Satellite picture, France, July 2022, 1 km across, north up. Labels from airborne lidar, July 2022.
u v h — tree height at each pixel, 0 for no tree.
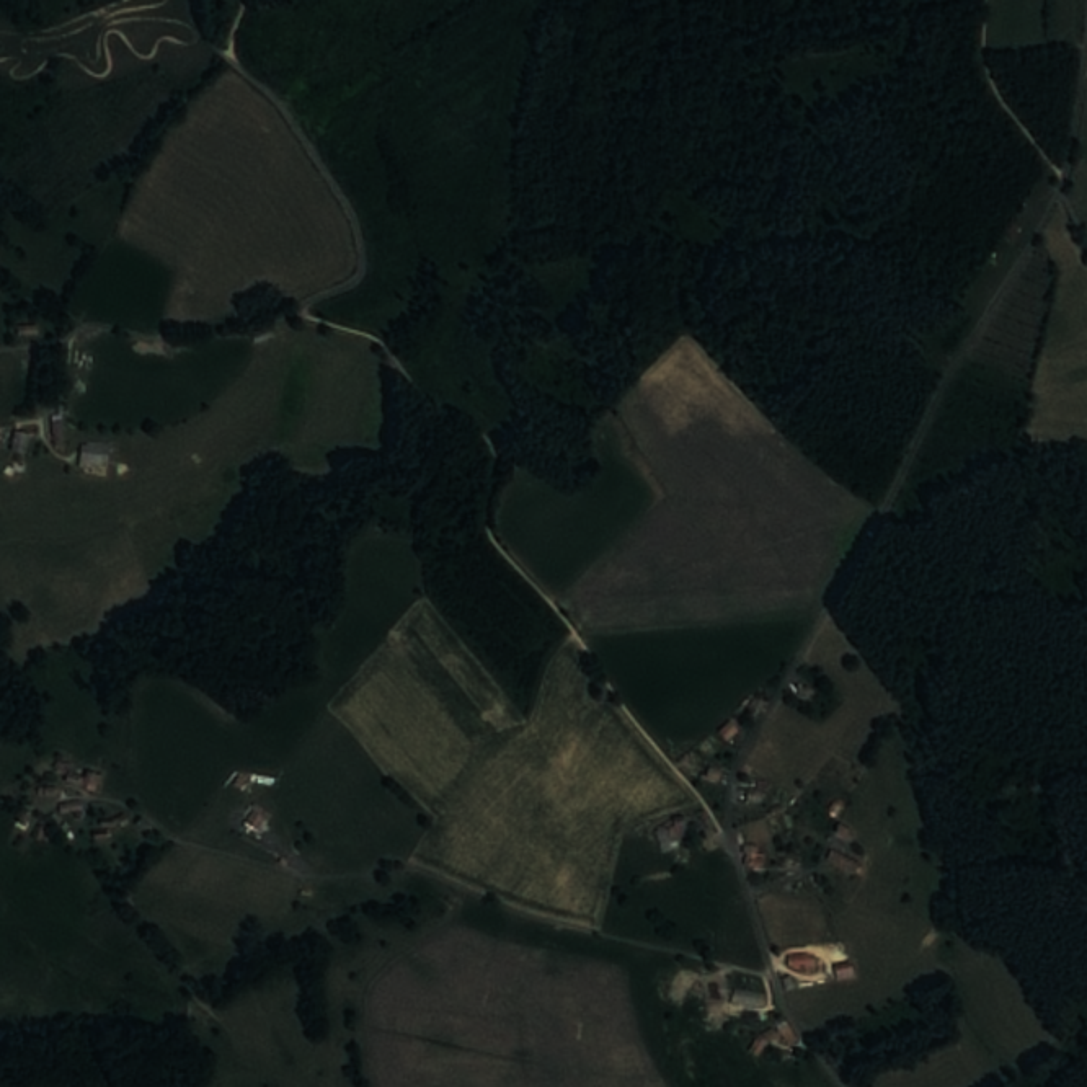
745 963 0
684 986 0
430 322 10
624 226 22
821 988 0
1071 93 13
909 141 13
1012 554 33
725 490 0
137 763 0
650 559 0
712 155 24
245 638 31
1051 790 27
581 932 0
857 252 34
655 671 0
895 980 0
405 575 0
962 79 17
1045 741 29
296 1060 0
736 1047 0
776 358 10
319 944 22
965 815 29
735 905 0
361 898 0
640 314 27
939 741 31
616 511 0
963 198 13
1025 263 0
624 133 30
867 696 0
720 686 0
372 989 0
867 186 35
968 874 32
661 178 26
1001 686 32
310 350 0
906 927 0
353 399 0
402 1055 0
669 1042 0
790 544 0
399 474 29
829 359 18
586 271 0
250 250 0
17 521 0
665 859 0
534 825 0
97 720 0
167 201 0
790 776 0
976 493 32
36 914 0
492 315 24
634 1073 0
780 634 0
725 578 0
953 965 0
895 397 18
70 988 0
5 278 20
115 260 0
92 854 10
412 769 0
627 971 0
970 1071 0
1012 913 29
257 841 0
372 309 0
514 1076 0
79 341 0
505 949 0
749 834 0
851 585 32
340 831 0
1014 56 17
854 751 0
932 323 30
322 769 0
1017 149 14
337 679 0
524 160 16
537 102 17
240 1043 0
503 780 0
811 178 39
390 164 9
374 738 0
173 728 0
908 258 16
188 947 0
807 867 0
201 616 29
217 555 16
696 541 0
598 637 0
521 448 34
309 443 0
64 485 0
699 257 19
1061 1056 30
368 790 0
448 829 0
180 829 0
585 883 0
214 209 0
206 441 0
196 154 0
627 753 0
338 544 26
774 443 0
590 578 0
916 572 35
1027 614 34
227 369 0
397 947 0
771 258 37
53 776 6
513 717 0
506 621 6
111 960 0
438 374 0
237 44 6
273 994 0
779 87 16
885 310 28
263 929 16
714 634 0
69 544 0
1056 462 31
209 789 0
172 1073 30
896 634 32
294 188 0
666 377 0
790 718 0
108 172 22
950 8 23
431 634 0
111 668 29
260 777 0
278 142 0
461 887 0
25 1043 31
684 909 0
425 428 30
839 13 21
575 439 33
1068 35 0
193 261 0
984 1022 0
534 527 0
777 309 28
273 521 26
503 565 8
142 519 0
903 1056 24
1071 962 32
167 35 0
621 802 0
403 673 0
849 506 0
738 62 26
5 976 0
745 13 9
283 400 0
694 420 0
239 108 0
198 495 0
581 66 19
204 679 24
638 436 0
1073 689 34
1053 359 0
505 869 0
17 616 18
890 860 0
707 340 25
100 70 0
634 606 0
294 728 0
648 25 25
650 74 19
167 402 0
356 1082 9
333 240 0
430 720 0
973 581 27
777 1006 0
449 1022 0
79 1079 26
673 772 0
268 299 21
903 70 16
